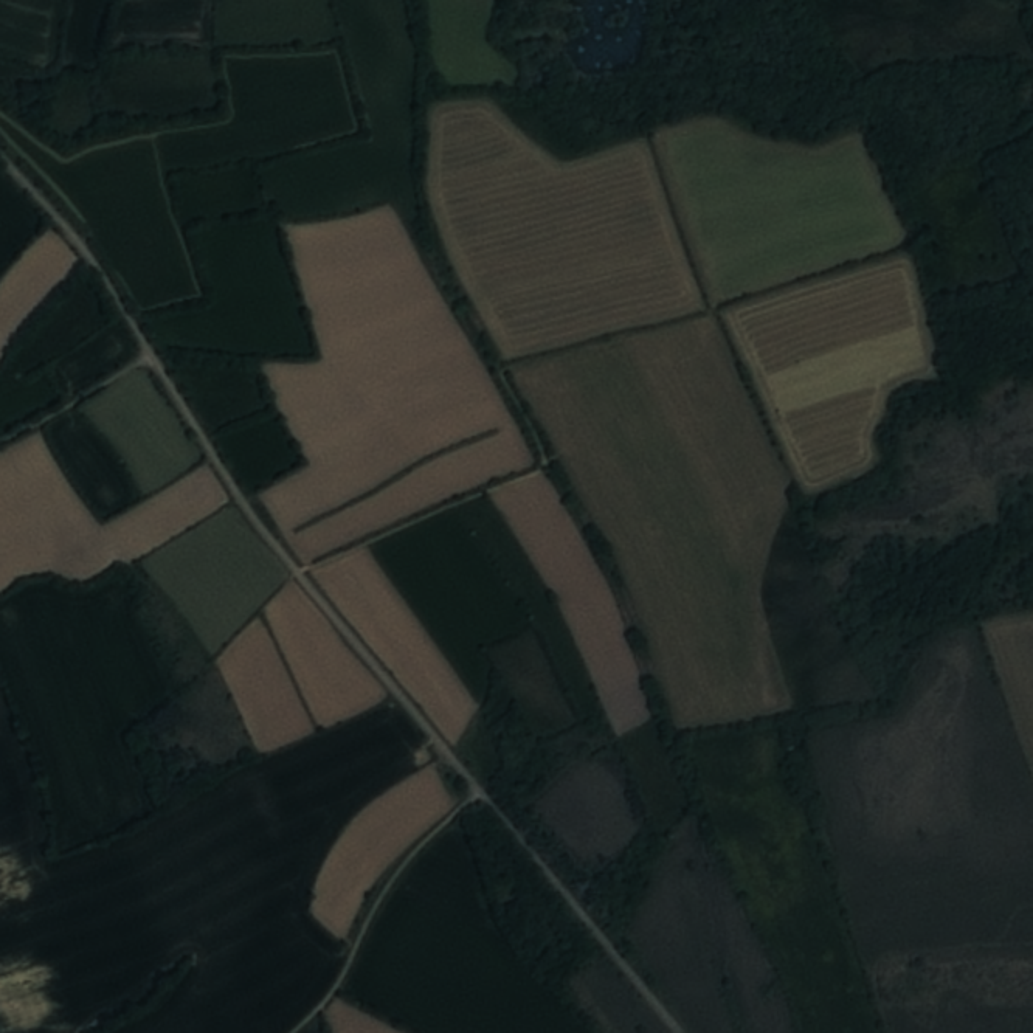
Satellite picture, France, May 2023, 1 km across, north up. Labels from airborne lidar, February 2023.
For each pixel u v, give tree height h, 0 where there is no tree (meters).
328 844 0
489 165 0
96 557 0
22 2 0
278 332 0
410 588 0
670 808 0
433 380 0
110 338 0
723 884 0
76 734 0
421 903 0
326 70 0
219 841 0
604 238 0
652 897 0
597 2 0
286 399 0
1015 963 0
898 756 0
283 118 0
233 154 0
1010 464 0
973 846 0
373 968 0
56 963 0
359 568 0
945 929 0
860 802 0
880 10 0
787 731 7
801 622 0
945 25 0
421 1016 0
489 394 0
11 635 0
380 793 0
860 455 0
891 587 6
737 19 14
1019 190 17
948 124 7
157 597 0
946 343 20
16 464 0
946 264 0
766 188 0
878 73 9
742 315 0
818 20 11
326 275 0
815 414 0
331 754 0
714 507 0
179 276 0
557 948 9
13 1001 0
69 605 0
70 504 0
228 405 0
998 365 17
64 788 0
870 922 0
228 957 0
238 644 0
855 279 0
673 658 0
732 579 0
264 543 0
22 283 0
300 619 0
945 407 7
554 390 0
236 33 0
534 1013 0
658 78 13
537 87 7
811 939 0
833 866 6
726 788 0
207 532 0
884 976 0
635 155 0
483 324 0
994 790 0
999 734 0
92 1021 0
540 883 15
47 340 0
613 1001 0
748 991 0
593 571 0
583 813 0
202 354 9
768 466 0
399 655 0
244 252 0
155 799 14
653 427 0
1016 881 0
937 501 0
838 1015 0
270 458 0
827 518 10
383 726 0
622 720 0
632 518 0
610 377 0
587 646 0
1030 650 0
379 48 0
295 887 0
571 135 9
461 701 0
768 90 12
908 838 0
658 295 0
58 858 6
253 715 0
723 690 0
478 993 0
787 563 0
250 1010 0
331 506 0
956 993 0
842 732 0
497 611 0
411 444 0
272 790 0
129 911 0
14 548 0
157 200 0
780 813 0
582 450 0
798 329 0
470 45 0
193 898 0
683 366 0
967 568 14
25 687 0
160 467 0
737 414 0
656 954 0
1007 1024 0
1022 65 10
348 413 0
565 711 0
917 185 9
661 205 0
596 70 0
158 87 0
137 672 0
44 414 7
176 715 13
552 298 0
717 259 0
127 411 0
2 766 0
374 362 0
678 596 0
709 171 0
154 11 0
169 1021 0
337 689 0
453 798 0
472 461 0
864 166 0
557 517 0
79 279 12
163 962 0
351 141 6
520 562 0
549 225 0
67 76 12
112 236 0
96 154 0
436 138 0
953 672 0
